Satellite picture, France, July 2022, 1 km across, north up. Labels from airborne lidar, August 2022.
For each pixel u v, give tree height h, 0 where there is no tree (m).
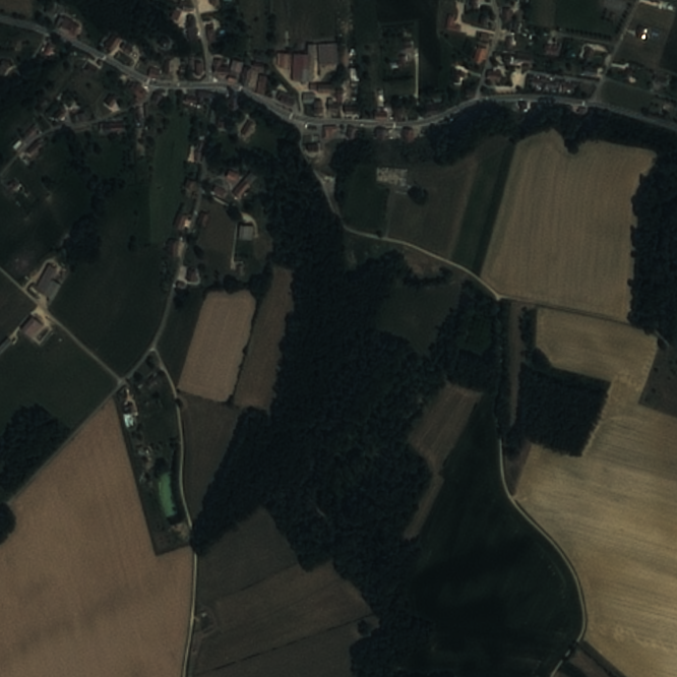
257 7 0
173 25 15
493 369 19
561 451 16
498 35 0
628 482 0
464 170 0
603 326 0
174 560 0
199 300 0
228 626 0
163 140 0
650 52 0
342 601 0
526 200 0
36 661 0
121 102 10
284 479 22
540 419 21
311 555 21
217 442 0
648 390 0
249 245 0
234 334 0
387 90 0
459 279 0
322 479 25
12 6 0
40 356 0
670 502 0
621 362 0
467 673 0
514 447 18
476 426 0
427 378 12
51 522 0
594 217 0
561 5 0
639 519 0
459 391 0
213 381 0
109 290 0
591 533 0
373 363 28
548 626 0
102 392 0
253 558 0
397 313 0
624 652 0
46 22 16
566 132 17
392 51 0
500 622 0
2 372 0
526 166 0
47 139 7
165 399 0
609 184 0
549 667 0
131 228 0
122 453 0
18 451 22
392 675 27
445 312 0
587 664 0
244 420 14
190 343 0
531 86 8
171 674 0
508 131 10
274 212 22
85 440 0
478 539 0
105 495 0
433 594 0
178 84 0
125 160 6
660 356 0
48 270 0
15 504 0
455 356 22
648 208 23
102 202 20
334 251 27
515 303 0
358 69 11
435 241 0
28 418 19
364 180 0
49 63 15
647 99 0
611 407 0
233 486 22
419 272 0
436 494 0
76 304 0
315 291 27
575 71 0
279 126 25
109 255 0
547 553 0
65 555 0
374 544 13
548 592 0
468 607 0
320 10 0
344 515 30
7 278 0
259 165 24
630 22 0
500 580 0
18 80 20
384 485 27
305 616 0
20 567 0
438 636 0
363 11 0
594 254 0
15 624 0
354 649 12
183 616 0
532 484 0
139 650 0
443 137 27
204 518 18
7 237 0
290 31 0
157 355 0
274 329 0
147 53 18
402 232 0
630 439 0
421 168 0
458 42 0
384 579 28
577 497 0
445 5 0
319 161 0
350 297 19
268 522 0
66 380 0
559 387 18
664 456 0
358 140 7
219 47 13
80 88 0
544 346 0
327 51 0
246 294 0
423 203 10
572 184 0
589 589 0
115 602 0
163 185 0
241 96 13
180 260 0
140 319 0
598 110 10
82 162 19
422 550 13
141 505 0
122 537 0
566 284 0
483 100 0
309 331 27
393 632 24
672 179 32
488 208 0
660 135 8
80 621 0
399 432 21
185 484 0
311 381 21
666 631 0
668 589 0
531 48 5
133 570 0
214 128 17
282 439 17
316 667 0
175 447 9
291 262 23
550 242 0
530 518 0
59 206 0
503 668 0
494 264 0
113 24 22
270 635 0
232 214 17
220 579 0
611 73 12
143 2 22
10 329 0
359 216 0
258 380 0
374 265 20
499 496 0
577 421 18
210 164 10
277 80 11
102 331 0
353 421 28
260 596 0
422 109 13
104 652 0
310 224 24
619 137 7
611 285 0
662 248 32
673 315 19
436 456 0
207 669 0
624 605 0
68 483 0
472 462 0
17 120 0
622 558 0
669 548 0
